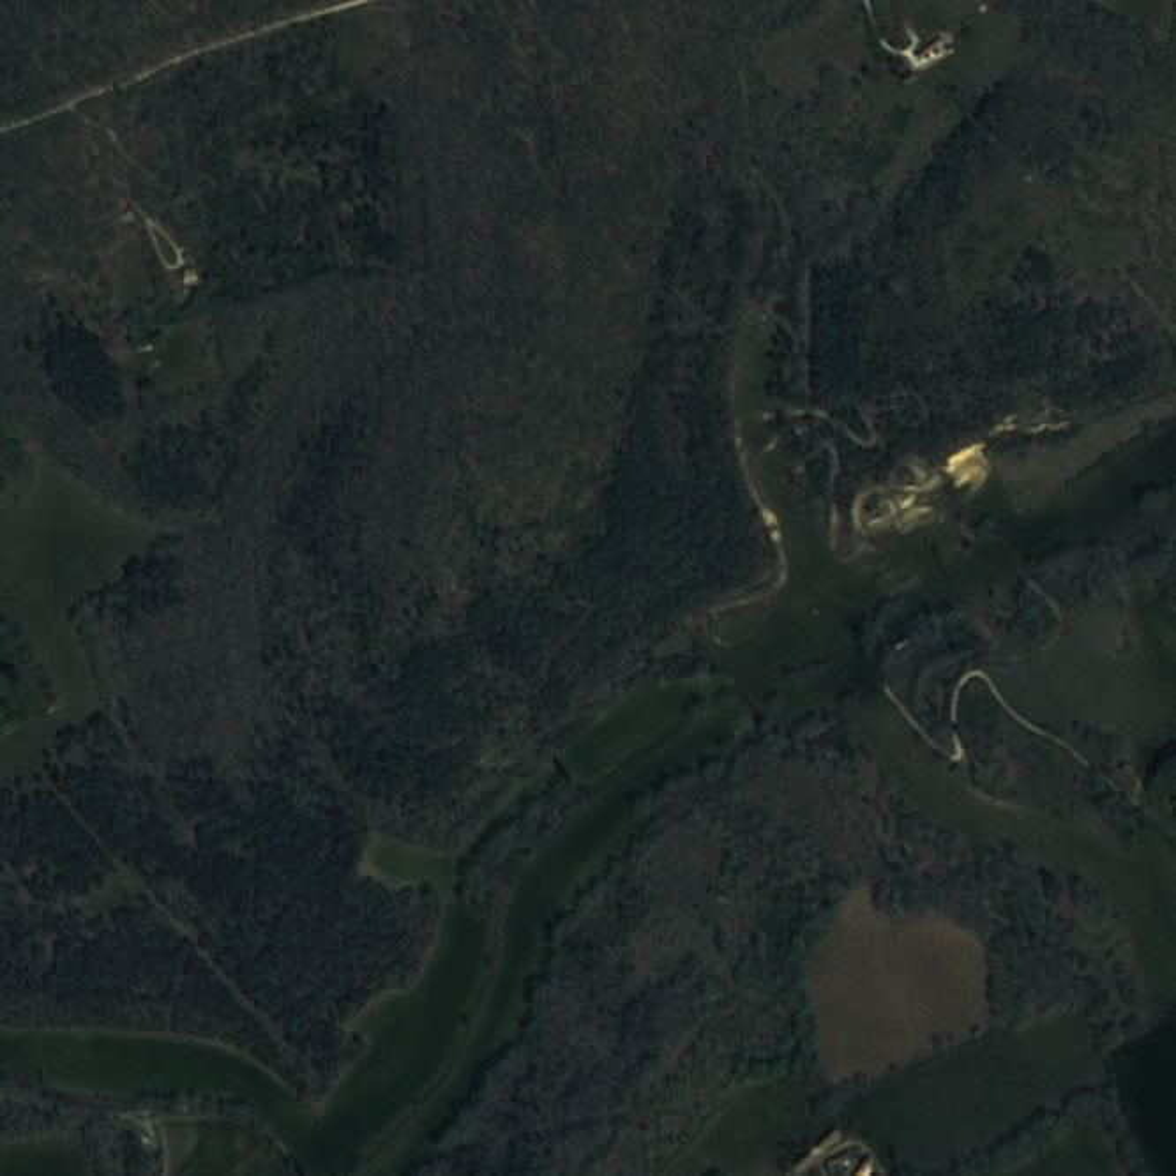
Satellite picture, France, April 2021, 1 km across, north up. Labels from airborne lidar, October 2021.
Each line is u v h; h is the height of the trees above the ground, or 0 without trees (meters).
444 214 10
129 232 12
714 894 7
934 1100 0
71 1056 0
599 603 9
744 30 13
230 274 5
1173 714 0
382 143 11
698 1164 0
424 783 15
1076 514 0
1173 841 5
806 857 17
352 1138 0
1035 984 19
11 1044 0
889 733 0
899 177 0
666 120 9
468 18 8
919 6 0
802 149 8
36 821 14
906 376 6
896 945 0
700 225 13
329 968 14
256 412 12
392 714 9
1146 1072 0
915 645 10
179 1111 14
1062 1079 0
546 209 11
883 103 0
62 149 12
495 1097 18
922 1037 0
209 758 16
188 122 11
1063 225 7
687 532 11
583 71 11
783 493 0
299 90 11
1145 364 8
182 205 14
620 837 0
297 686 10
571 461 9
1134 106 11
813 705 0
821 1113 16
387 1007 0
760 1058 9
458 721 12
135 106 13
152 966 15
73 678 0
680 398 12
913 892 14
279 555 8
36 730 0
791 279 7
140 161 15
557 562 7
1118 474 0
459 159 11
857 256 8
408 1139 0
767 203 9
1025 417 10
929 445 13
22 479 19
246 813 13
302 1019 14
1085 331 12
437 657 12
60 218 12
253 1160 0
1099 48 12
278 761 11
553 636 11
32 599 0
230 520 11
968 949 0
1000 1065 0
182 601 10
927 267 0
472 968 0
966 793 0
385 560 6
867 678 0
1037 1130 18
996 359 7
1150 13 0
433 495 9
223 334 16
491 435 12
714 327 11
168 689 16
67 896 13
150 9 13
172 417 16
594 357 13
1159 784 16
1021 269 8
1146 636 0
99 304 9
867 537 0
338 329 17
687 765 0
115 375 13
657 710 0
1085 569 14
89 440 14
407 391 11
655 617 15
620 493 15
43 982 10
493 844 20
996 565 0
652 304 7
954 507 0
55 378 16
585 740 0
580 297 13
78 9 14
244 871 16
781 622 0
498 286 9
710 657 7
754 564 11
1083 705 0
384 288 13
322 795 16
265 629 10
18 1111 10
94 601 11
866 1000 0
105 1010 15
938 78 0
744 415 0
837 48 0
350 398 13
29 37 14
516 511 8
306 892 14
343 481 14
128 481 12
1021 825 0
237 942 14
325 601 10
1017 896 16
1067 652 0
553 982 14
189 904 16
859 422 14
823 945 12
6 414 19
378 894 13
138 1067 0
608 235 7
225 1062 0
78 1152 0
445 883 0
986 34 0
